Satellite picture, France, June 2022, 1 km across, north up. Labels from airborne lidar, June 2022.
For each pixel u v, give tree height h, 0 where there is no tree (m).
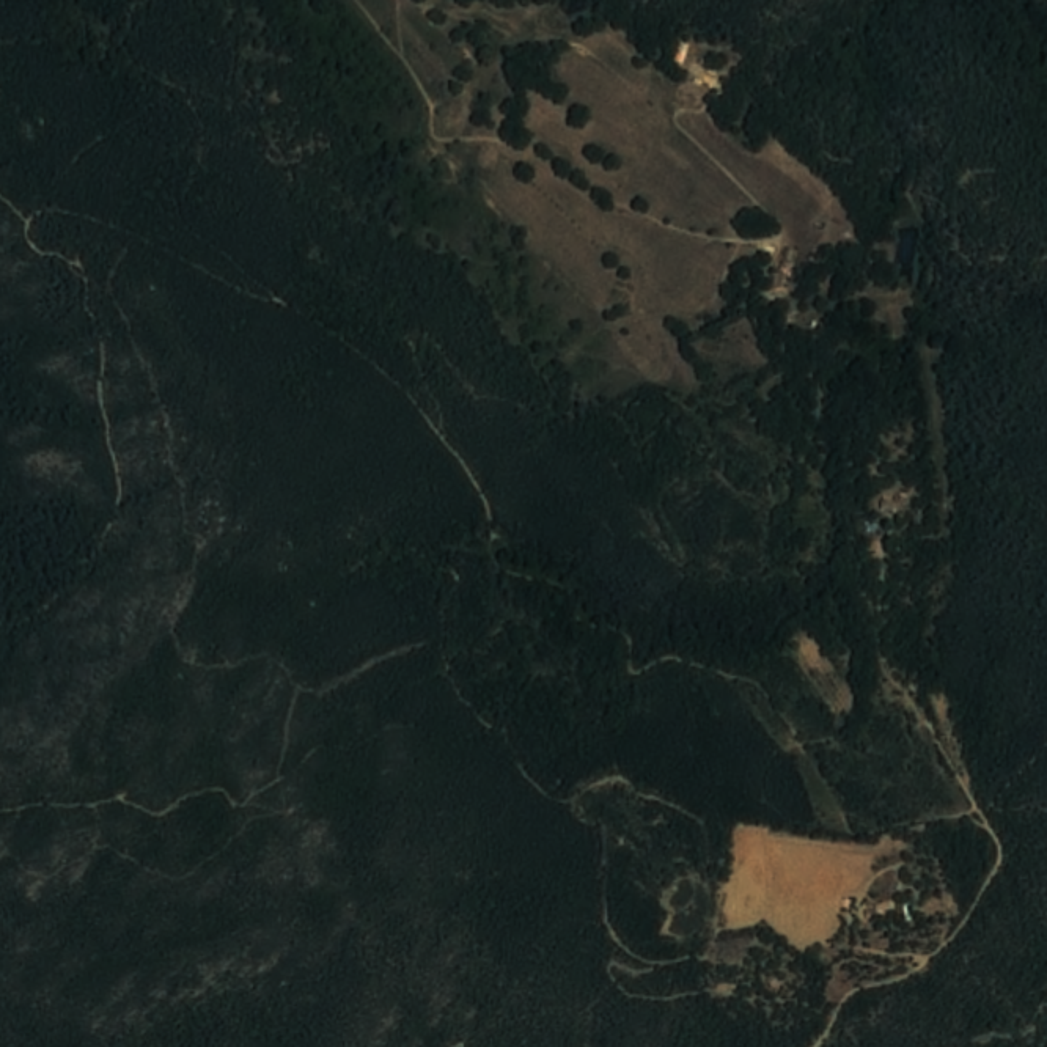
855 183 9
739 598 11
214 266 8
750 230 13
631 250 0
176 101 8
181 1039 10
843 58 18
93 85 10
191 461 6
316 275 7
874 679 11
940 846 12
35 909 7
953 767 7
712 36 12
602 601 11
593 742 8
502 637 11
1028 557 10
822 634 14
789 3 9
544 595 13
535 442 11
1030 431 7
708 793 6
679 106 0
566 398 13
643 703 7
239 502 8
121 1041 8
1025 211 6
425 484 7
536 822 6
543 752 6
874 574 11
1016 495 8
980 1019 11
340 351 10
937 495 16
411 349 9
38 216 8
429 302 9
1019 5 13
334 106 11
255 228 8
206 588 9
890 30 8
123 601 0
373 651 6
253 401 7
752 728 7
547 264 0
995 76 15
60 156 7
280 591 9
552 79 8
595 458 9
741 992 9
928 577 10
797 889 0
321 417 7
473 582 8
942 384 9
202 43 8
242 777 0
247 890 6
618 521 6
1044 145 14
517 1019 11
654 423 10
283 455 7
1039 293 10
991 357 12
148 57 8
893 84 10
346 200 10
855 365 15
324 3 16
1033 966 8
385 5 0
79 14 13
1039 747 9
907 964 8
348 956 8
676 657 8
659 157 0
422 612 10
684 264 0
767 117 11
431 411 7
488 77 0
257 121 7
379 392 6
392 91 7
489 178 0
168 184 10
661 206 0
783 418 16
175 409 6
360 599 8
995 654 8
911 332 7
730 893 0
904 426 10
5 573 15
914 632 10
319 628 7
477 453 6
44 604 10
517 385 9
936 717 12
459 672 8
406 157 9
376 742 6
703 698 5
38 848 0
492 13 0
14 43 7
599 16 12
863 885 0
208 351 7
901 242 14
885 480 12
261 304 7
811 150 11
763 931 9
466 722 6
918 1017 7
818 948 9
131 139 9
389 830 7
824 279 12
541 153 9
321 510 7
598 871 6
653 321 0
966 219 7
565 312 0
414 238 12
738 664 9
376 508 6
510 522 7
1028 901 7
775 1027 6
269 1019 8
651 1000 6
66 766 0
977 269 10
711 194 0
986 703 8
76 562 15
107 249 11
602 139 0
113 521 9
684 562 8
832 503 14
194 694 0
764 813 7
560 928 6
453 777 7
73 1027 7
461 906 9
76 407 9
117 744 6
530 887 8
